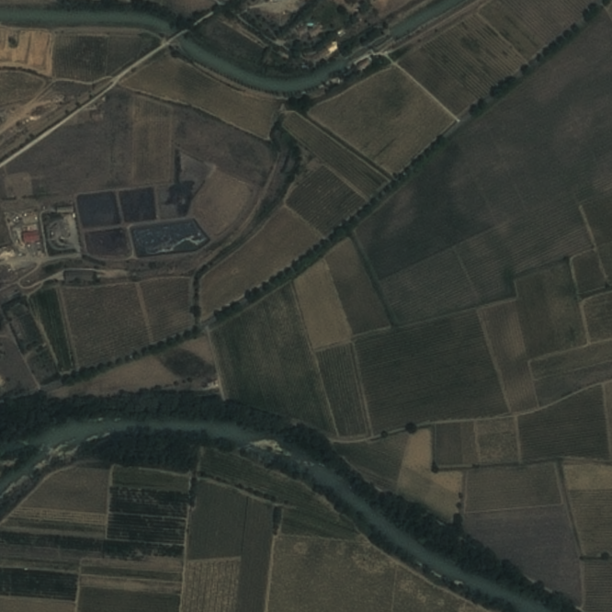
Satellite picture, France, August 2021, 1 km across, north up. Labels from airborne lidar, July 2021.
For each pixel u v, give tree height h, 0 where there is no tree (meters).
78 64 0
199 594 0
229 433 0
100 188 0
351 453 0
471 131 0
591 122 0
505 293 0
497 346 0
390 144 0
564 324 0
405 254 0
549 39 0
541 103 0
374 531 16
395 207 0
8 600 0
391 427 0
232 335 0
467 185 0
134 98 0
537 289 0
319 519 0
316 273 0
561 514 0
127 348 0
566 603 17
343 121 0
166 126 0
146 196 0
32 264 0
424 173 0
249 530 0
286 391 0
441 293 0
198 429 0
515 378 0
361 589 0
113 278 0
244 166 0
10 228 0
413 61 0
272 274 0
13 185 0
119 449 18
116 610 0
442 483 0
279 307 0
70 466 0
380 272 0
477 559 16
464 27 0
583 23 0
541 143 0
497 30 0
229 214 0
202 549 0
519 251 0
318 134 0
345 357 0
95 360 0
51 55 0
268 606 0
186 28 13
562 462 0
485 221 0
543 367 0
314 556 0
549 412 0
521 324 0
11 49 0
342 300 0
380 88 0
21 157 0
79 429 0
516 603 0
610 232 0
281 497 0
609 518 0
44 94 0
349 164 0
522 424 0
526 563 0
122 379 0
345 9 9
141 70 0
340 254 0
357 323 0
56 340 0
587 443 0
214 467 0
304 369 0
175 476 0
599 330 0
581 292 0
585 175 0
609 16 0
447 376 0
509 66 0
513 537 0
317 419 0
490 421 0
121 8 9
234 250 0
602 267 0
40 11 0
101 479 0
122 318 0
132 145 0
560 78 0
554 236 0
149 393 12
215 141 0
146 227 0
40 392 9
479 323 0
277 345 0
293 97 8
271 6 0
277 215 0
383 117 0
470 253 0
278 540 0
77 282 15
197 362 0
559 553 0
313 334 0
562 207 0
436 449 0
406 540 0
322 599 0
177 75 0
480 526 0
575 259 0
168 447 8
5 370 0
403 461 0
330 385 0
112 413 15
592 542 0
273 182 0
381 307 0
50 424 12
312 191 0
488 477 0
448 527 13
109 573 0
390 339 0
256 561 0
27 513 0
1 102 0
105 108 0
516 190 0
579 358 0
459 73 0
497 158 0
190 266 0
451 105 0
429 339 0
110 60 0
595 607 0
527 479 0
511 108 0
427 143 0
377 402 0
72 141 0
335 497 15
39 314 0
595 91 0
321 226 0
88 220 0
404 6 0
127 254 0
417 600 0
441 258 0
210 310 0
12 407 14
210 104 0
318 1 10
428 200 0
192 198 0
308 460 0
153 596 0
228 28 0
